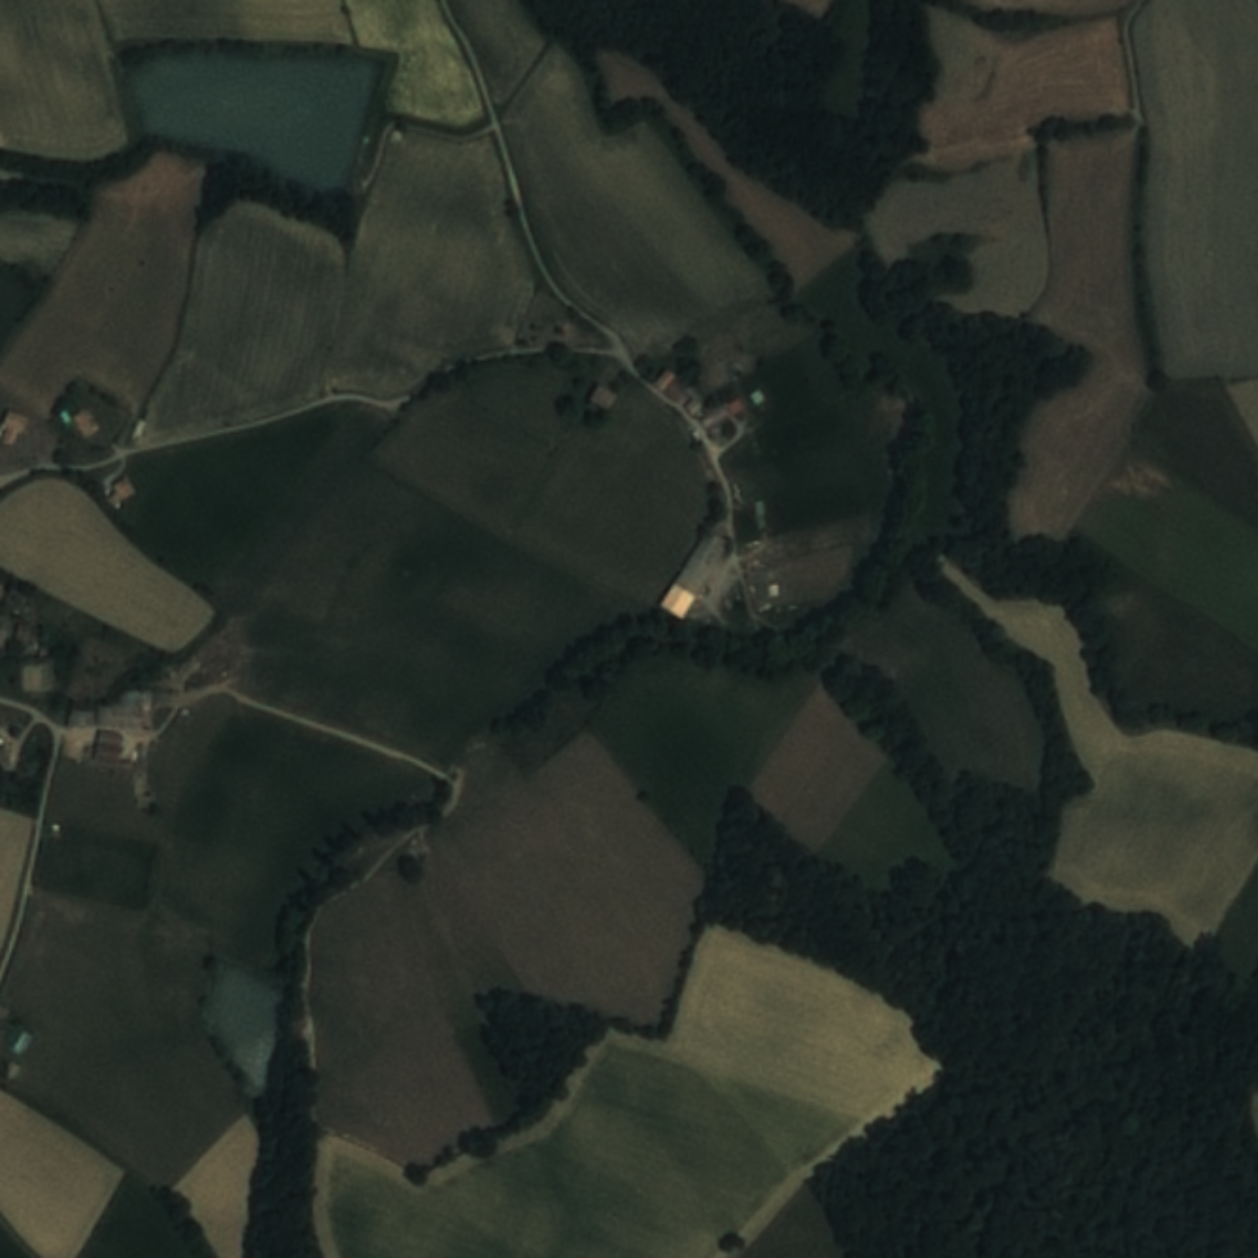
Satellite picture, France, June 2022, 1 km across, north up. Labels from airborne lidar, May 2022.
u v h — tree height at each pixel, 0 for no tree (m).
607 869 0
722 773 0
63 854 0
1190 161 0
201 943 0
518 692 0
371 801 0
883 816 0
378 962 0
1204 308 0
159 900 0
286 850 0
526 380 0
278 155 0
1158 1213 16
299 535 0
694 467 0
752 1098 0
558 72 0
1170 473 0
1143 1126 13
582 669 23
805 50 24
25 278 6
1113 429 0
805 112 21
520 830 0
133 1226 0
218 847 0
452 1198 0
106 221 0
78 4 0
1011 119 0
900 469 18
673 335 0
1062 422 0
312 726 0
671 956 0
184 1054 0
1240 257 0
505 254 0
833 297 0
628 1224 0
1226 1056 23
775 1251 0
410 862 15
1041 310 0
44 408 0
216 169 13
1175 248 0
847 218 16
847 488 0
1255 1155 9
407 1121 0
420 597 0
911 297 19
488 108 0
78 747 0
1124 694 12
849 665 17
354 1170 0
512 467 0
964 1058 18
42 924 0
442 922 0
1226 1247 21
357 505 0
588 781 0
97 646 0
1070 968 22
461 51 0
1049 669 14
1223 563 0
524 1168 0
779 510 0
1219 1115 19
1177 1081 23
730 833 16
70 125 0
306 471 0
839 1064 0
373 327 0
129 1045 0
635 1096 0
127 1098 0
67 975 0
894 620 0
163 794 0
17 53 0
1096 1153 12
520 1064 21
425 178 0
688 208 0
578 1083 0
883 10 12
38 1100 0
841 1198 22
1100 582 9
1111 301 0
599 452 0
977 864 20
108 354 0
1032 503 0
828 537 0
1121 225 0
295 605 0
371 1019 0
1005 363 8
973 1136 22
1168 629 0
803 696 0
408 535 0
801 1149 0
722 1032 0
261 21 0
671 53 24
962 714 0
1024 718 0
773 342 0
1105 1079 25
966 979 23
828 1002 0
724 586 0
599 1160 0
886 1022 0
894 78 17
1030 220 0
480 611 0
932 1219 30
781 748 0
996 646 19
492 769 0
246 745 0
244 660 0
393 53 0
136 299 0
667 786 0
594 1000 0
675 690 0
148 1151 0
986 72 0
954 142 0
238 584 0
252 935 0
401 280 0
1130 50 0
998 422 11
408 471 0
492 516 0
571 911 0
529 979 0
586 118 0
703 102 22
